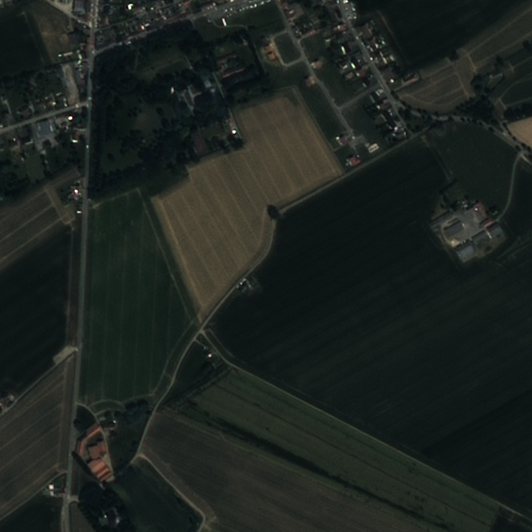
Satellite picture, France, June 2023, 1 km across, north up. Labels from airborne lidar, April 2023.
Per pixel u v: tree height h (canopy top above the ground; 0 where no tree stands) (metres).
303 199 0
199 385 0
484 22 0
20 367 0
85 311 0
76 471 0
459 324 0
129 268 0
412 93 0
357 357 0
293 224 0
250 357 0
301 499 0
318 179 0
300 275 0
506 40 0
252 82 11
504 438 0
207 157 0
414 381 0
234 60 16
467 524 0
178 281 0
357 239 0
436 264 0
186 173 0
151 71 0
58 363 0
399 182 0
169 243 0
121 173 14
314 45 0
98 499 16
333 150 0
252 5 0
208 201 0
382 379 0
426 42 0
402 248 0
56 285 0
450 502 0
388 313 0
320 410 0
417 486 0
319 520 0
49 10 0
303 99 0
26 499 0
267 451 0
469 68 0
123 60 15
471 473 0
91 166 7
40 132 0
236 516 0
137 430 0
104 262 0
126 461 0
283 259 0
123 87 20
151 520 0
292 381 0
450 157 0
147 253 0
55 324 0
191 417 0
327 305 0
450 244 0
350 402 0
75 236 0
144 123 0
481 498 0
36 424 0
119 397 0
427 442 0
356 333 0
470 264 0
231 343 0
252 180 0
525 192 0
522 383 0
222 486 0
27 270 0
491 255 0
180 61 0
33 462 0
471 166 0
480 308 0
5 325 0
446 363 0
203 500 0
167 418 0
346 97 0
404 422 0
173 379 0
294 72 0
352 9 0
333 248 0
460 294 0
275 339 0
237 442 0
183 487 0
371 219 0
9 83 15
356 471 0
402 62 0
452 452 0
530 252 0
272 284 0
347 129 0
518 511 0
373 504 0
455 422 0
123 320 0
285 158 0
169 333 0
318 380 0
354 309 0
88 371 0
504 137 0
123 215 0
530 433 0
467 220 0
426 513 0
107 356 0
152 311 0
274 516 0
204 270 0
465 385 0
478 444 0
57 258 0
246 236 0
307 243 0
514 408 0
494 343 0
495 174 0
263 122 0
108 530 16
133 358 0
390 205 0
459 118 0
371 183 0
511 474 0
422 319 0
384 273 0
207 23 0
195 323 0
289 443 0
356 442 0
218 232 0
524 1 0
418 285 0
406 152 0
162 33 20
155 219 0
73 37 0
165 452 0
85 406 0
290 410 0
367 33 0
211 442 0
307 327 0
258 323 0
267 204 0
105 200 0
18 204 0
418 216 0
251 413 0
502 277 0
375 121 0
